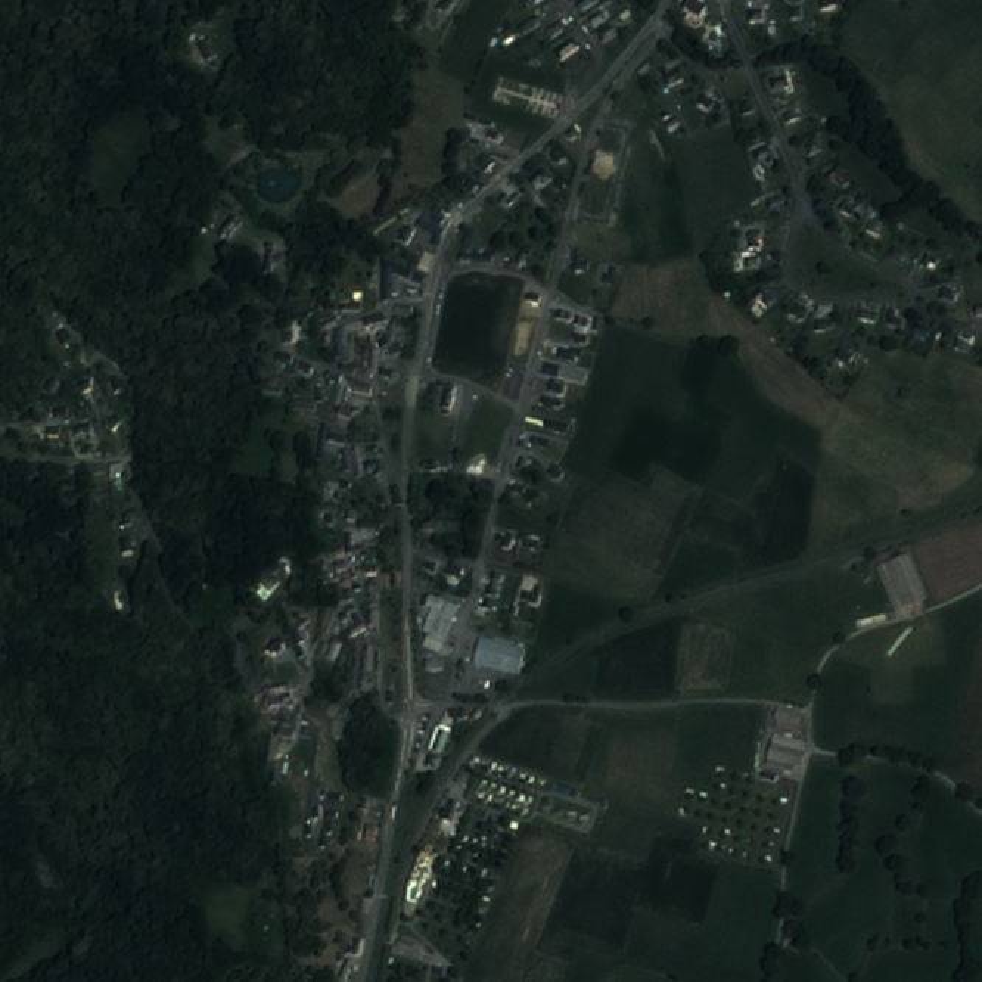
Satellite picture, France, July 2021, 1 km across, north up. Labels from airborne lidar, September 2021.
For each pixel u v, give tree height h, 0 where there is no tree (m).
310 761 0
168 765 14
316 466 11
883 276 0
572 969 0
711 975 0
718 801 9
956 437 0
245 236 0
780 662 0
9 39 17
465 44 0
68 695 21
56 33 26
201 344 14
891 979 0
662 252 0
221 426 20
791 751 0
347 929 0
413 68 10
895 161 19
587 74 0
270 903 15
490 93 0
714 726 0
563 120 0
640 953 0
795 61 21
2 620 21
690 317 0
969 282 0
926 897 11
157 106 23
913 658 0
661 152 0
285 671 0
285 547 19
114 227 21
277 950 0
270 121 17
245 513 18
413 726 0
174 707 19
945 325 8
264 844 16
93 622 23
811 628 0
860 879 0
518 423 0
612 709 0
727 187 0
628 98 0
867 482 0
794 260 0
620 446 0
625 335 0
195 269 0
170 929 19
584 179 0
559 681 0
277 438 16
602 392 0
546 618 0
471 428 0
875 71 0
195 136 18
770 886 0
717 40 0
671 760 0
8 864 19
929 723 0
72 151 22
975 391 0
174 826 10
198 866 21
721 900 0
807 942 23
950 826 0
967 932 19
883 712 0
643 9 7
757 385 0
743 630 0
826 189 6
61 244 16
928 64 0
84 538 18
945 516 0
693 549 0
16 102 20
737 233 7
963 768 0
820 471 0
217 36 0
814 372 6
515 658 0
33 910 20
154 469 18
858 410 0
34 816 19
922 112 0
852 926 0
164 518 21
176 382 18
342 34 24
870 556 8
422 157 0
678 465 0
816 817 0
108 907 20
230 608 0
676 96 0
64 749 19
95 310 21
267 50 21
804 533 0
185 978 11
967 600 0
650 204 0
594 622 0
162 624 21
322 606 15
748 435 0
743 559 0
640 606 0
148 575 18
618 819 0
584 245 0
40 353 19
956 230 21
